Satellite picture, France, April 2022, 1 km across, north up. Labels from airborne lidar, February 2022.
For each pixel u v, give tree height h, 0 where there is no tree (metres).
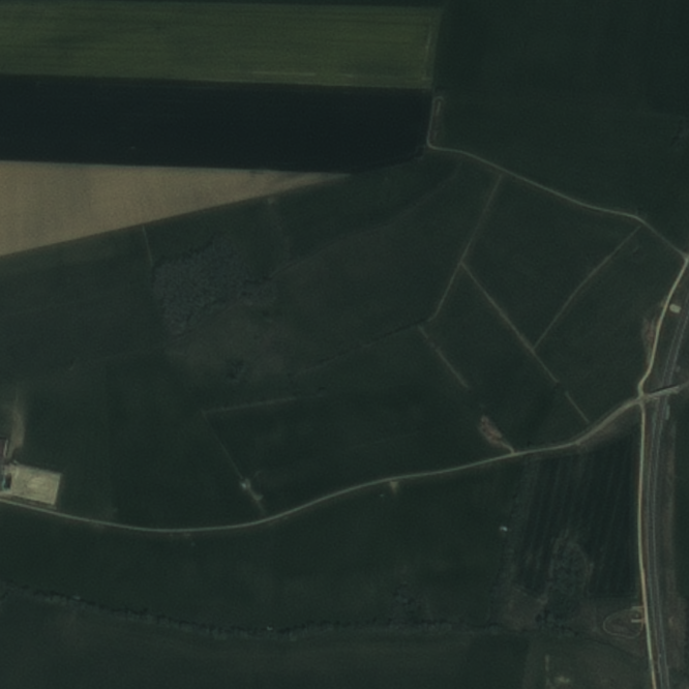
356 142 0
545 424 0
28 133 0
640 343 0
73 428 0
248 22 0
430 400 0
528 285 0
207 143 0
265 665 0
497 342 0
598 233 0
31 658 0
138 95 0
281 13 0
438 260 0
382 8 0
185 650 0
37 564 0
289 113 0
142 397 0
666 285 0
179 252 0
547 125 0
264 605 0
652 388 0
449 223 0
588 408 0
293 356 0
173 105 0
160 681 0
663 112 0
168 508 0
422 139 0
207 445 0
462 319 0
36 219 0
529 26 0
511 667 0
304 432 0
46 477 0
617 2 0
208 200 0
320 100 0
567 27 0
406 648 0
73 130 0
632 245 0
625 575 0
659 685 0
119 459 0
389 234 0
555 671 0
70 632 0
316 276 0
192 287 23
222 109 0
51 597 14
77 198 0
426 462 0
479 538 0
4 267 0
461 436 0
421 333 0
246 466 0
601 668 0
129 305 0
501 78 0
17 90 0
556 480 0
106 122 0
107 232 0
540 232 0
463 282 0
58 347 0
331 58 0
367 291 0
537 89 0
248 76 0
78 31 0
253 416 0
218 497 0
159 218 0
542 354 0
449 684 0
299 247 0
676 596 0
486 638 0
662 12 0
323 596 0
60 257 0
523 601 0
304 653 0
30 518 0
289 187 0
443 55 0
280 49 0
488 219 0
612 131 0
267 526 0
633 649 0
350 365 0
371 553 0
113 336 0
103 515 0
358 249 0
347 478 0
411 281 0
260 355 0
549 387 0
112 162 0
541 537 0
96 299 0
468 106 0
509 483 0
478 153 0
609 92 0
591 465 0
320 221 0
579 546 0
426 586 0
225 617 0
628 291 0
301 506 0
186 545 0
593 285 0
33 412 0
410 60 0
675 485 0
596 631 0
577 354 0
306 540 0
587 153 0
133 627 0
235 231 0
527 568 0
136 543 0
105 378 0
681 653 0
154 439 0
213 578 0
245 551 0
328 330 0
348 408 0
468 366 0
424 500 0
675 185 0
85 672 0
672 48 0
